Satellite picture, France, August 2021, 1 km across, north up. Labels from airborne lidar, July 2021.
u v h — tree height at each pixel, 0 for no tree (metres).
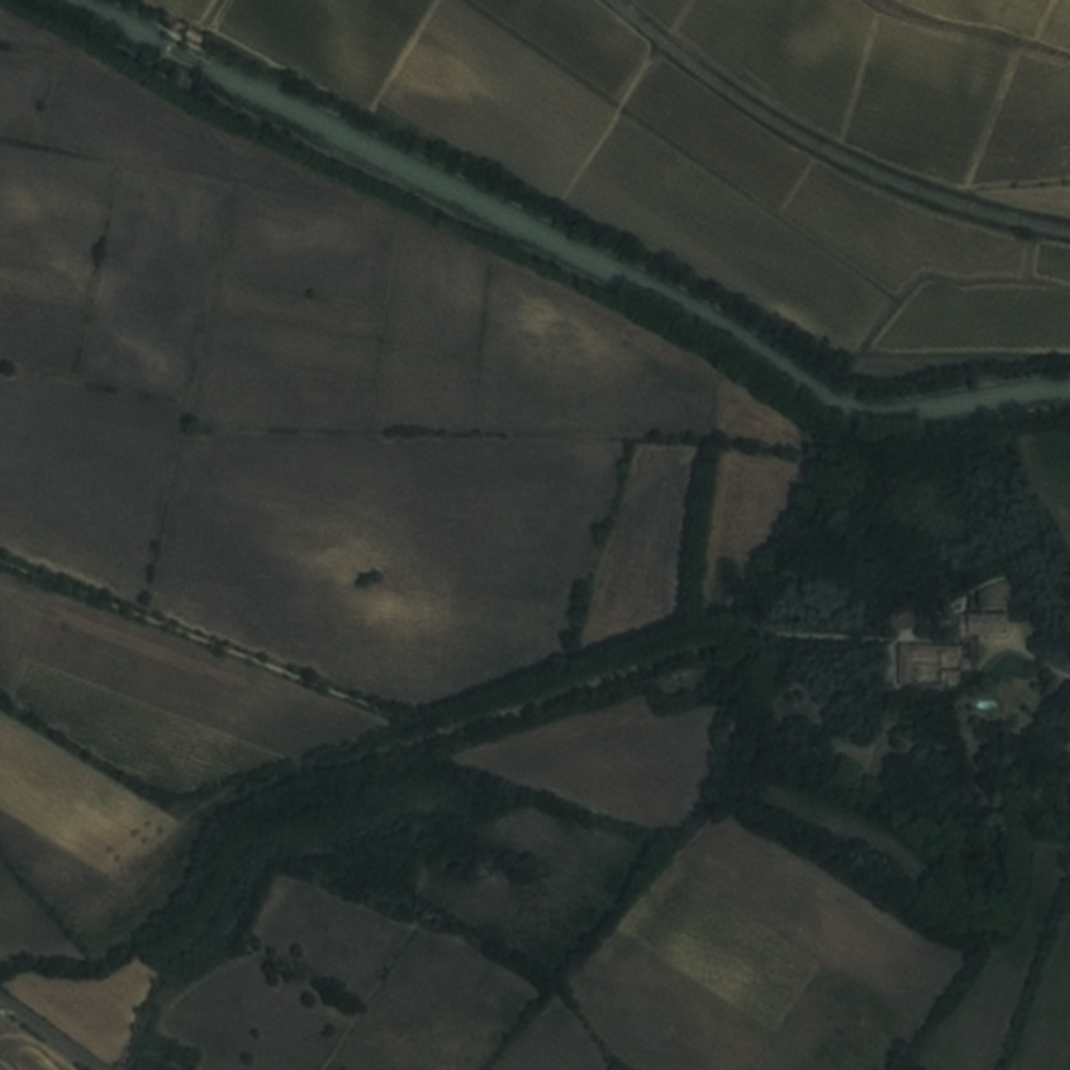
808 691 20
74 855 0
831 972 0
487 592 0
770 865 0
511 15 0
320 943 0
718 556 0
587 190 0
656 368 0
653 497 0
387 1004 0
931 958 0
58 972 15
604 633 0
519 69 0
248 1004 0
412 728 9
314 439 0
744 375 29
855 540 17
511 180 12
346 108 11
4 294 0
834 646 10
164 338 0
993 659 0
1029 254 0
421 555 0
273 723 0
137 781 13
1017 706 0
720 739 16
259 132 21
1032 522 20
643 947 0
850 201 0
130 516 0
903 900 21
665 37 0
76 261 0
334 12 0
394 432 7
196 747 0
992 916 22
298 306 0
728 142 0
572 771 0
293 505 0
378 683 0
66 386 0
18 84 0
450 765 10
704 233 0
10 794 0
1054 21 0
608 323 0
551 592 0
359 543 0
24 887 6
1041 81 0
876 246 0
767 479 0
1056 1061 0
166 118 0
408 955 0
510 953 9
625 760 0
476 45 0
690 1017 0
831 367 22
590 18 0
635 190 0
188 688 0
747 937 0
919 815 13
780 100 0
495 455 0
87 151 0
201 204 0
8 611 0
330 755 10
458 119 0
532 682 23
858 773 16
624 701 11
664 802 0
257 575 0
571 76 0
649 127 0
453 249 0
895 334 0
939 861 14
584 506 0
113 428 0
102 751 0
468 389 0
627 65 0
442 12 0
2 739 0
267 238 0
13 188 0
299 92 19
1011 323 0
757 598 12
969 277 0
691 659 18
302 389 0
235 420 0
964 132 0
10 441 0
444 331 0
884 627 14
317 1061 0
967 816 11
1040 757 12
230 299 0
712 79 0
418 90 0
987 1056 0
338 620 0
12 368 12
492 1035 0
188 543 0
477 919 0
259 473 0
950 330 0
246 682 0
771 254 0
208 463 0
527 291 0
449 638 0
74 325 0
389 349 0
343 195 0
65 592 12
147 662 0
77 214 0
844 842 8
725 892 0
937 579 11
